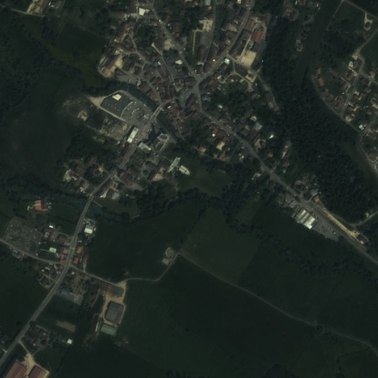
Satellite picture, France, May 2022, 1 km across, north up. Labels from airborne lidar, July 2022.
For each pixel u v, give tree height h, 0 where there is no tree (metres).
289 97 21
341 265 9
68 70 22
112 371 0
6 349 8
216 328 0
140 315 0
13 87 8
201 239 0
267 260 0
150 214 16
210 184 0
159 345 0
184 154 16
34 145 0
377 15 0
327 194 16
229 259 0
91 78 0
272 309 0
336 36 7
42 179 0
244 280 0
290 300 0
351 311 0
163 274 0
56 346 12
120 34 0
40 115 0
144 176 0
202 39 0
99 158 10
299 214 0
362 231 17
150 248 0
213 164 18
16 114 0
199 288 0
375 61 0
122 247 0
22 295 0
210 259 0
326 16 0
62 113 0
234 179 21
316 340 0
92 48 0
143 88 0
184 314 0
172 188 0
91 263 0
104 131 0
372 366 0
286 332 0
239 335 0
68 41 0
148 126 0
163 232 0
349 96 0
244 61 0
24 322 0
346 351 0
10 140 0
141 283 0
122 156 0
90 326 0
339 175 26
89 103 0
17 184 19
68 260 0
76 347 0
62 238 0
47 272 9
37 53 0
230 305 0
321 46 7
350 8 0
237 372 0
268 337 0
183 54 0
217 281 0
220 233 0
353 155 0
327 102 0
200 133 6
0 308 0
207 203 14
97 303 0
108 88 12
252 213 0
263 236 22
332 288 0
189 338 0
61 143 0
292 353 0
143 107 0
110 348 0
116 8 13
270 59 20
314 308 0
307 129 23
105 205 0
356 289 0
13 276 0
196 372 0
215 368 0
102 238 0
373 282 16
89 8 0
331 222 0
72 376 0
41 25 8
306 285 0
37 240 0
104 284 0
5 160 0
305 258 0
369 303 0
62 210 0
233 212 25
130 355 0
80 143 20
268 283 0
